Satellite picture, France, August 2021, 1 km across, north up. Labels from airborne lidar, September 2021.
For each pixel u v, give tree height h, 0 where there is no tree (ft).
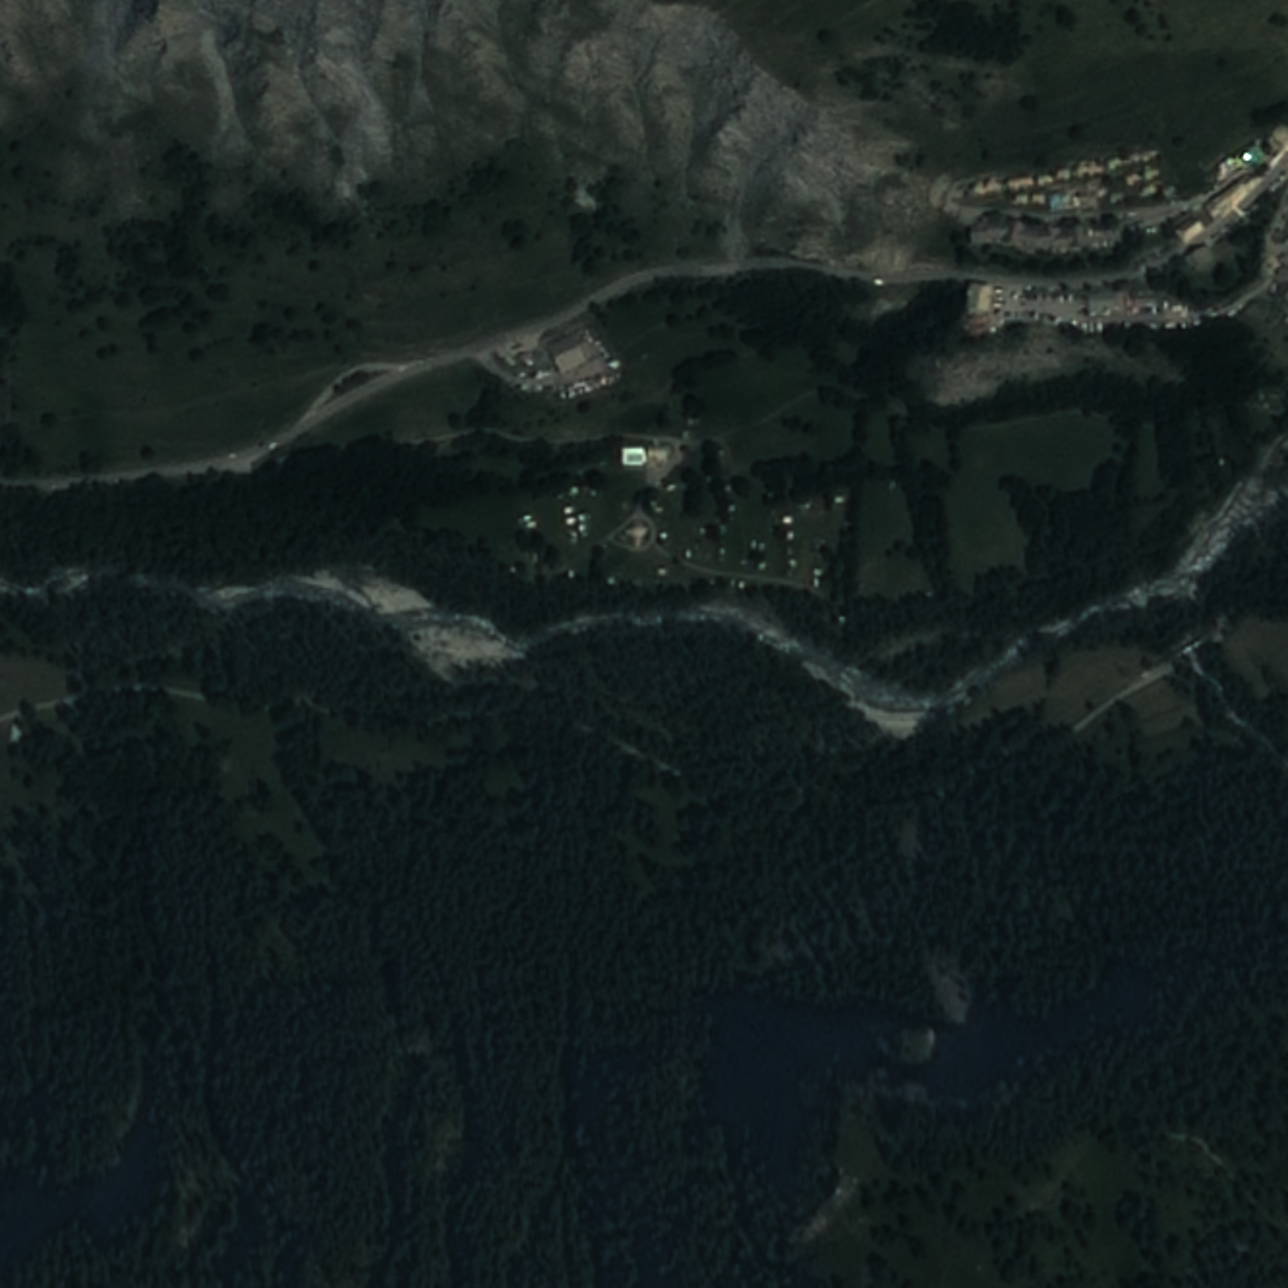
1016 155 0
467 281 0
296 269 0
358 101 0
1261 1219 24
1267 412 0
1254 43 0
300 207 32
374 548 28
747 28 0
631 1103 66
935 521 47
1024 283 0
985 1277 0
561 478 37
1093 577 19
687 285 24
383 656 37
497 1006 80
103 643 71
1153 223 0
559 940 51
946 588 28
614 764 63
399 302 0
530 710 62
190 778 48
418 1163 68
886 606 61
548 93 0
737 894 57
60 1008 25
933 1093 0
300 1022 64
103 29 0
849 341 73
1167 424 43
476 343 0
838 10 0
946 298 51
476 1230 55
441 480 65
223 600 0
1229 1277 33
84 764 51
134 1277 102
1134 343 37
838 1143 29
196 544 64
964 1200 64
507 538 0
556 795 64
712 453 45
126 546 61
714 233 27
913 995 49
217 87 0
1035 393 39
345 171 0
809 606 38
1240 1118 70
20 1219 86
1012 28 54
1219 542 0
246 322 0
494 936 64
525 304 0
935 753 52
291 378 0
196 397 0
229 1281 83
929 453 0
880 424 0
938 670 37
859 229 0
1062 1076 63
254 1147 47
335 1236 83
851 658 29
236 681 73
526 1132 89
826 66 0
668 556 0
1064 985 57
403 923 92
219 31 0
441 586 30
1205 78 0
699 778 35
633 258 38
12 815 0
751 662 52
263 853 20
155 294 50
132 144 0
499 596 52
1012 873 42
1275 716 60
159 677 36
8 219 0
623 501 0
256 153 0
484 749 46
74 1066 72
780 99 0
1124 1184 0
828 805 46
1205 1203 30
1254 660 0
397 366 0
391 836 86
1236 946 69
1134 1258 0
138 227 44
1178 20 0
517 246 46
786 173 0
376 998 73
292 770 68
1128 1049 61
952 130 0
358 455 66
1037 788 40
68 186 0
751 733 60
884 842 47
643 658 42
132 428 0
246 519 61
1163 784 27
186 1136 50
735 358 52
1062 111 0
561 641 27
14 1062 82
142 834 52
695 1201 83
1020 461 0
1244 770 108
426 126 0
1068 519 43
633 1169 45
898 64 30
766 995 53
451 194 20
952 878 39
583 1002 69
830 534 0
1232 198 0
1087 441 0
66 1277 74
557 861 62
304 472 85
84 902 38
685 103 0
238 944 100
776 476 52
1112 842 91
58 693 0
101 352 24
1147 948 81
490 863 68
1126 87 0
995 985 30
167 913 66
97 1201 0
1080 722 0
